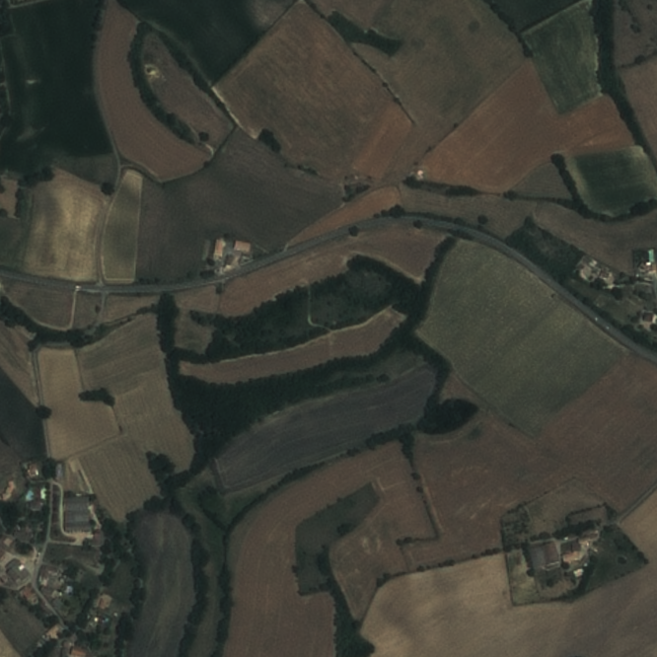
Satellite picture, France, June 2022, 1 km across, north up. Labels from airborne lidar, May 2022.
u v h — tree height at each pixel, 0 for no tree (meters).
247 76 0
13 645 0
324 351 0
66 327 0
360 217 0
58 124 0
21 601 7
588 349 0
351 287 8
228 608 17
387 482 0
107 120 0
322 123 0
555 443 0
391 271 15
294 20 0
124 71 0
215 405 12
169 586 0
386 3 0
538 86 0
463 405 21
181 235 0
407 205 0
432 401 13
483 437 0
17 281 0
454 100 0
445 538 0
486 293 0
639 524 0
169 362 18
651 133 0
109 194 9
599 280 11
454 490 0
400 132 0
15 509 12
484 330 0
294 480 7
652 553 0
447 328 0
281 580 0
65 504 0
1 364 0
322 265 0
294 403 7
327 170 0
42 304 0
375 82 0
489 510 0
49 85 0
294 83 0
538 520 0
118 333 0
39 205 0
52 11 0
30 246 0
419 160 0
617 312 0
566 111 0
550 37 0
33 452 0
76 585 8
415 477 12
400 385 0
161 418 0
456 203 0
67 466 0
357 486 0
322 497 0
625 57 0
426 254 0
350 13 0
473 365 0
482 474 0
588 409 0
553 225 0
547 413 0
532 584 0
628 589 0
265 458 0
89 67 0
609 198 0
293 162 0
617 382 0
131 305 0
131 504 0
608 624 0
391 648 0
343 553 0
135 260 0
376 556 0
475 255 0
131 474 0
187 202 0
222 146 6
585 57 0
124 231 0
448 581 0
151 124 0
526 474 0
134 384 0
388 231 0
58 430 0
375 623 0
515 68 0
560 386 0
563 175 16
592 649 0
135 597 14
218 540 0
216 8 0
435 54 0
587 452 0
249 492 0
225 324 11
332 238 0
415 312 7
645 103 0
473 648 0
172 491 18
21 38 0
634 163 0
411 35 0
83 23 0
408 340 10
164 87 0
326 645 0
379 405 0
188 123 0
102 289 0
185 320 0
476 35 0
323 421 0
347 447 0
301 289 12
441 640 0
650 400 0
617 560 0
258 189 0
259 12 0
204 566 16
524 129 0
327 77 0
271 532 0
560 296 0
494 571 0
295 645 0
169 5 0
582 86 0
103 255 0
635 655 0
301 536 0
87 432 0
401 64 0
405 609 0
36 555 0
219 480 0
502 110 0
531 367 0
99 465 0
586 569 6
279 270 0
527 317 0
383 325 0
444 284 0
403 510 0
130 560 10
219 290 8
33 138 0
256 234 0
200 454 16
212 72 0
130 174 0
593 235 0
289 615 0
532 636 0
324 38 0
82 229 0
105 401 11
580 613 0
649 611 0
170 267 0
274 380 13
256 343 9
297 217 0
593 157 0
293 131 0
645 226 0
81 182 0
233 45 0
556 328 0
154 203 0
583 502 0
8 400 0
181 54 8
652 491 0
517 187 0
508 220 0
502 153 0
